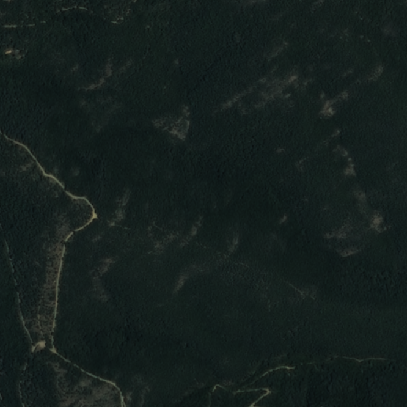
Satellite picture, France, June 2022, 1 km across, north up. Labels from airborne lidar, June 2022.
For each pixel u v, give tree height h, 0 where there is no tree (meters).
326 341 9
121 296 10
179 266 7
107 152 12
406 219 6
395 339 10
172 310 8
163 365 7
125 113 7
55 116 8
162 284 9
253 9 9
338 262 11
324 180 6
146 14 10
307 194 7
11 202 12
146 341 11
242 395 9
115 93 9
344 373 7
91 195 10
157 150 9
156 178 8
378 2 14
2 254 14
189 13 7
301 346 9
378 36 7
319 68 7
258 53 6
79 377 9
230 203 8
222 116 7
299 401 14
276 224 9
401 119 7
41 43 9
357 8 11
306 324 12
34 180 7
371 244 8
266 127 10
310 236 7
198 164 18
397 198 8
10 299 7
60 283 7
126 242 10
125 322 11
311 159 6
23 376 8
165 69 8
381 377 15
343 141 7
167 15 13
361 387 7
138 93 13
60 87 14
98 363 7
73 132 8
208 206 9
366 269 6
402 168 6
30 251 7
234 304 7
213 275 7
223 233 6
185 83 10
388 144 6
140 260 6
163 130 7
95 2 17
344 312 8
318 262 7
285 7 7
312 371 6
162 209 6
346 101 5
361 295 13
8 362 12
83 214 10
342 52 7
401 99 7
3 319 9
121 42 9
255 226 7
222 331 10
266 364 6
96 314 8
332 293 11
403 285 14
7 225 11
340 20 7
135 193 6
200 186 6
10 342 12
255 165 9
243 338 8
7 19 8
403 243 7
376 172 8
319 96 8
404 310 7
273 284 6
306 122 7
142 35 8
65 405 0
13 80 6
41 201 8
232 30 11
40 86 14
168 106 11
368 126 8
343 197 6
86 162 9
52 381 7
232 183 8
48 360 8
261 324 10
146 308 12
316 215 6
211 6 6
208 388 7
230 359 6
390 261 8
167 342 10
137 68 8
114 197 6
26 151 5
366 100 7
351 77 7
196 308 9
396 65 9
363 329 9
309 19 6
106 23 11
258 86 7
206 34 7
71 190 7
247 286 6
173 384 9
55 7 11
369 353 8
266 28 10
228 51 9
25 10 10
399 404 11
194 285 7
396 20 10
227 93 6
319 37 8
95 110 6
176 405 5
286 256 8
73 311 7
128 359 11
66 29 12
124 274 8
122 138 12
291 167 6
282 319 10
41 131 6
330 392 16
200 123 10
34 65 10
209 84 8
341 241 7
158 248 8
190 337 9
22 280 10
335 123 8
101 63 7
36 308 6
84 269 9
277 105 8
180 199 9
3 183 8
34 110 14
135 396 7
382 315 7
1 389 8
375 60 7
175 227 6
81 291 7
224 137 8
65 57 8
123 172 9
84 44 10
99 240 6
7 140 8
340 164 6
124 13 9
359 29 8
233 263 10
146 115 9
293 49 8
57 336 6
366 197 6
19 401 10
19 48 18
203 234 8
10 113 14
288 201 8
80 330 15
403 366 9
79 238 7
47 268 6
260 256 7
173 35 7
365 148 6
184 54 6
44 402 8
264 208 10
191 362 8
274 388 9
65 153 6
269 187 12
